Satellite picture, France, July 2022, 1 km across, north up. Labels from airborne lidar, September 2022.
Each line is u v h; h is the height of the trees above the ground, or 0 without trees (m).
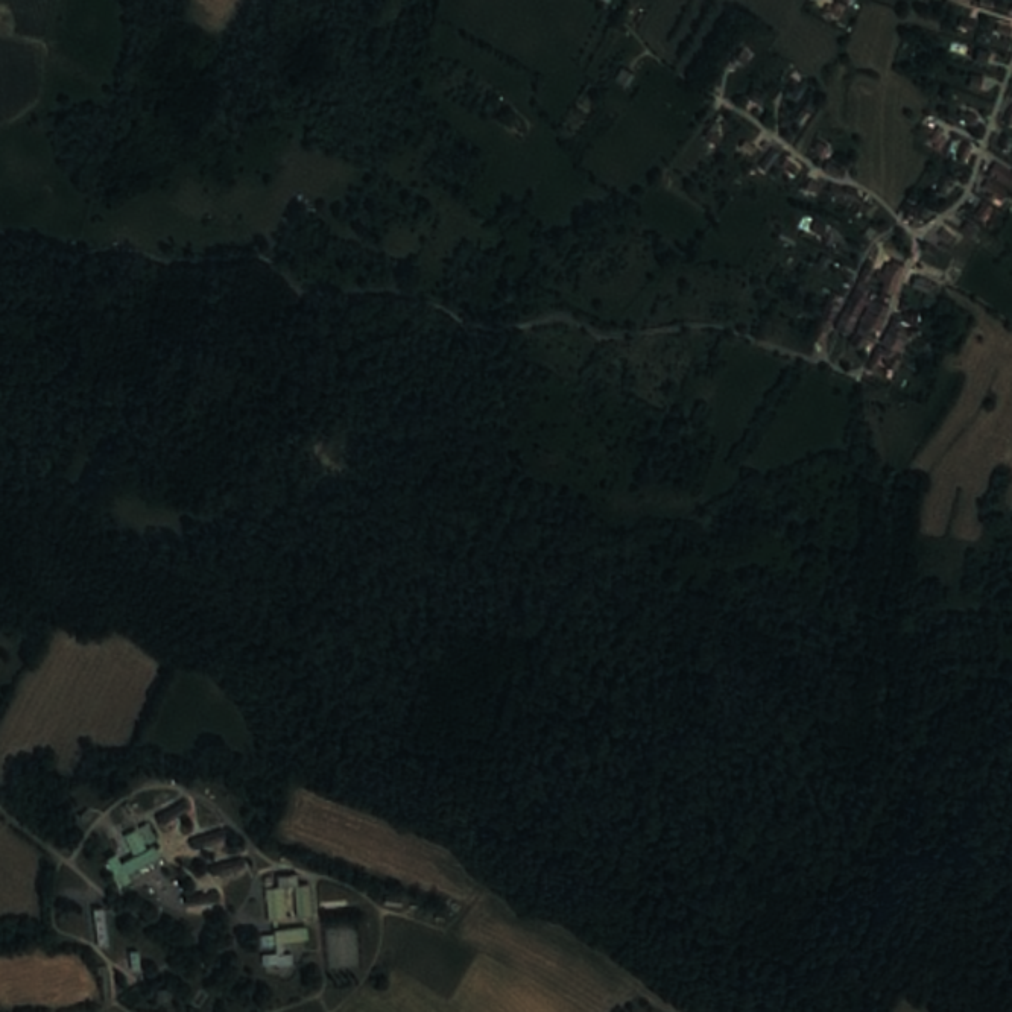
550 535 11
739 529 16
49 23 0
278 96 21
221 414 23
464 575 31
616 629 9
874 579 18
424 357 19
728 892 32
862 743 18
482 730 16
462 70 7
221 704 0
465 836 14
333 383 25
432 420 20
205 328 23
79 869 0
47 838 15
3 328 17
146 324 14
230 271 25
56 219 0
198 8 0
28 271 26
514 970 0
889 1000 21
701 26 14
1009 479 6
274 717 24
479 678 18
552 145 0
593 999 0
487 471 21
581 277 13
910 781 11
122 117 15
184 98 7
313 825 0
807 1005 24
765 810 32
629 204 20
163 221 0
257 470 29
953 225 0
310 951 0
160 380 22
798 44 0
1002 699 25
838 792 21
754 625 21
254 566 31
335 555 25
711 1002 13
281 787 13
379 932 0
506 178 0
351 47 11
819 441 0
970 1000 21
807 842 34
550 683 21
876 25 0
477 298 15
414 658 24
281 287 16
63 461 24
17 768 21
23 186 0
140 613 18
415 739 15
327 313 24
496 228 12
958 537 0
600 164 0
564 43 0
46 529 26
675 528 12
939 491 0
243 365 28
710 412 9
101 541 23
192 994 14
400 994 0
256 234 0
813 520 7
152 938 13
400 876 0
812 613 7
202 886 0
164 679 17
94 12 0
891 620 18
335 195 0
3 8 0
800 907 26
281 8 26
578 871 27
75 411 34
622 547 19
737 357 0
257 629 26
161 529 0
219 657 23
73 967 0
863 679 21
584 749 33
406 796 25
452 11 0
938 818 32
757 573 9
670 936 27
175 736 0
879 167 0
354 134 16
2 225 0
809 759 31
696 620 19
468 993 0
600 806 37
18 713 0
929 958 19
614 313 0
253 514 29
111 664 0
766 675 17
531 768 33
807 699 25
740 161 6
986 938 22
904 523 13
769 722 29
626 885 26
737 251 0
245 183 0
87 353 25
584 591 20
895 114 0
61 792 14
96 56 0
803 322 6
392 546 30
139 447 31
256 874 0
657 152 0
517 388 10
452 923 0
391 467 25
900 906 26
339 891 0
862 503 6
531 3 0
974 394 0
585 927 20
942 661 20
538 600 23
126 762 17
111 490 27
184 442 22
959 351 7
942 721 23
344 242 6
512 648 17
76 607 14
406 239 0
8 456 33
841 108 0
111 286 32
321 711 26
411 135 11
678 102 0
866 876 16
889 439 0
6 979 0
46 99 0
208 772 12
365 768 31
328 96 9
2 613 16
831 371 12
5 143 0
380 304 8
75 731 0
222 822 0
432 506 27
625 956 17
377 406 25
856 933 27
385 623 27
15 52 0
